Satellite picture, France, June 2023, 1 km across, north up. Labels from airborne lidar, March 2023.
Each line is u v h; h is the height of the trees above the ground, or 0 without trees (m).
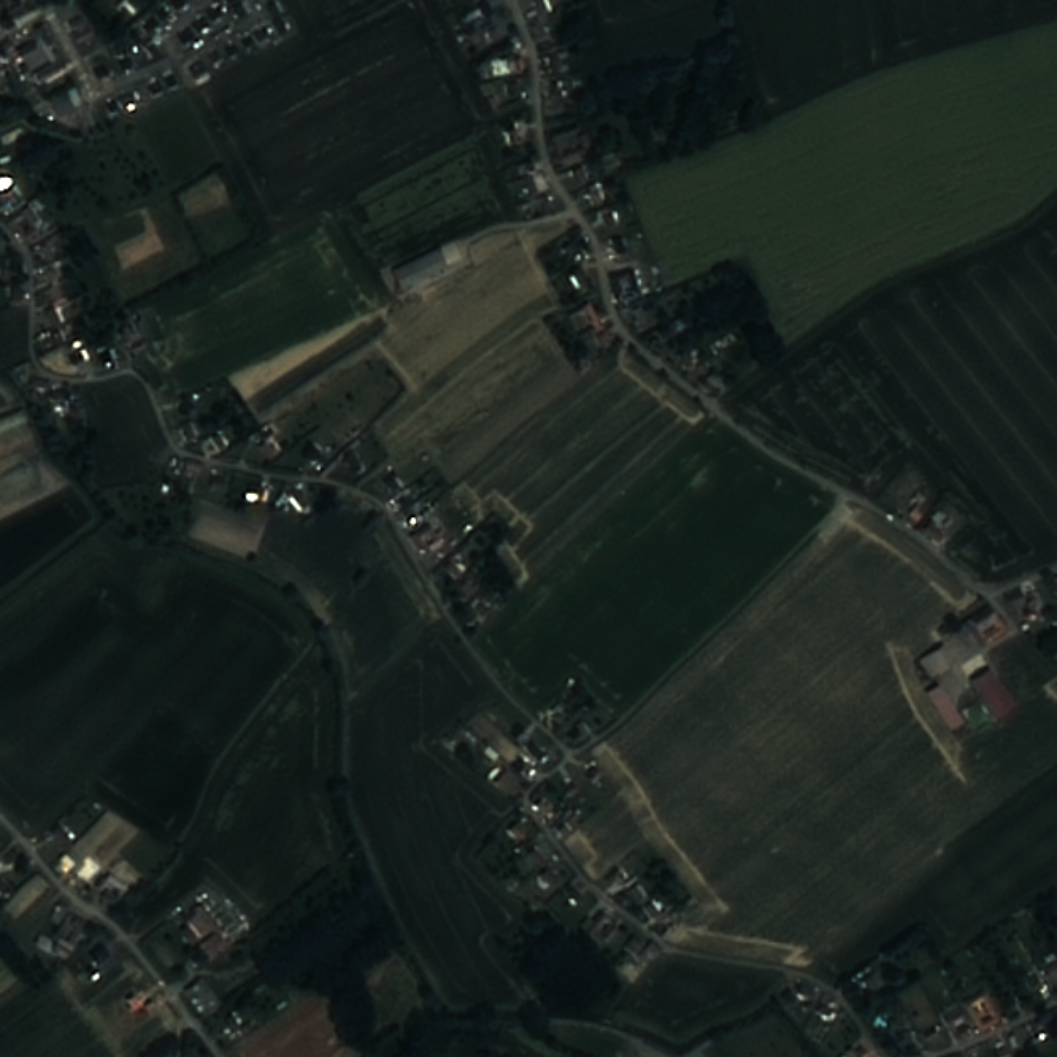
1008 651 0
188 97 0
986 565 0
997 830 0
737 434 0
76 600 0
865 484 0
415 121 0
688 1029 0
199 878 0
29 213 0
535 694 0
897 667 0
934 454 0
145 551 0
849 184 0
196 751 0
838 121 0
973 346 0
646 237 0
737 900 0
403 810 0
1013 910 0
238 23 0
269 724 0
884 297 0
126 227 0
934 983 0
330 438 0
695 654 0
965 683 0
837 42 0
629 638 0
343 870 0
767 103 0
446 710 0
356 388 0
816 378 0
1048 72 0
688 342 9
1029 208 0
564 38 15
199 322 0
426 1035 31
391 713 0
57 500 0
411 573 0
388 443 0
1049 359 0
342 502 0
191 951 8
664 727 0
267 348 0
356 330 0
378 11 0
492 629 0
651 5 0
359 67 0
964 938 0
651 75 23
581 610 0
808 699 0
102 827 0
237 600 0
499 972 0
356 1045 27
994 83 0
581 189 0
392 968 0
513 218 0
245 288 0
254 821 0
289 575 0
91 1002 0
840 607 0
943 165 0
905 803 0
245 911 0
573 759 0
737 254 0
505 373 0
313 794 0
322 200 0
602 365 0
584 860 0
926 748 0
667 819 0
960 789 0
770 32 0
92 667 0
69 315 0
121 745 0
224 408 11
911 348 0
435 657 0
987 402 0
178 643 0
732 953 0
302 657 0
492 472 0
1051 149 0
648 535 0
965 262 0
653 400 0
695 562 0
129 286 0
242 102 0
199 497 0
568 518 0
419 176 0
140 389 0
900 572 0
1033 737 0
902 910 0
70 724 0
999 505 0
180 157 0
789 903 0
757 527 0
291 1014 0
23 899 0
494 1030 25
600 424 0
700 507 0
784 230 0
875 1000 14
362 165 0
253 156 0
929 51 0
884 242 0
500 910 0
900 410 0
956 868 0
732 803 0
